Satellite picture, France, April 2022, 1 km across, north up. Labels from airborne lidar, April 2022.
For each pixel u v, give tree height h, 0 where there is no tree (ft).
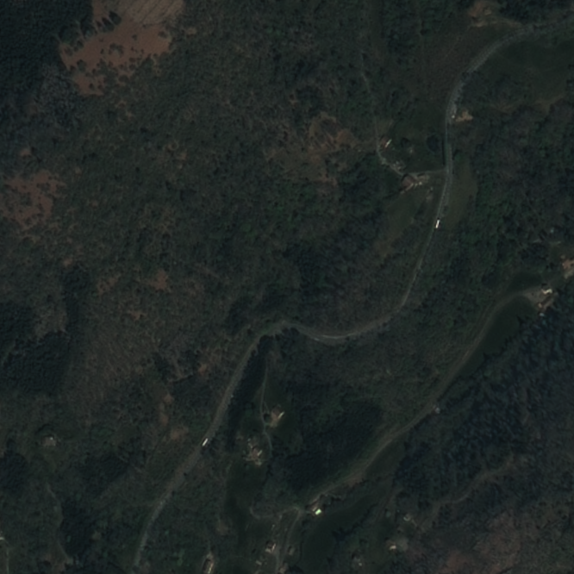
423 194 0
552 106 0
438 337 67
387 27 84
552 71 0
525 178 108
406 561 23
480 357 0
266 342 74
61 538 69
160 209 26
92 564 90
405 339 81
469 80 78
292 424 0
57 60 69
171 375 51
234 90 69
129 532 101
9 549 51
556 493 62
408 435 0
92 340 58
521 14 87
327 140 91
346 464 45
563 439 34
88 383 50
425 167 0
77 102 64
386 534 0
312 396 68
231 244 113
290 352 84
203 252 97
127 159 26
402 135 0
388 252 0
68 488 47
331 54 21
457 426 34
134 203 27
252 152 70
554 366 98
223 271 74
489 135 19
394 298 61
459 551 0
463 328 86
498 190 94
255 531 0
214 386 77
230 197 79
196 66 57
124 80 29
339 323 52
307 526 56
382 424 28
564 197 108
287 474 62
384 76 58
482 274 86
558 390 87
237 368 86
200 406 77
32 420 64
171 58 28
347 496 19
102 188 24
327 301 73
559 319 36
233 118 71
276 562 0
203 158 56
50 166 21
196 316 84
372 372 24
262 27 85
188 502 52
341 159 76
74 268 19
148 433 71
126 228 63
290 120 66
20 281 52
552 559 62
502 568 0
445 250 81
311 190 73
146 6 0
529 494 19
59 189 22
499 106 66
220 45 64
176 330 68
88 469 60
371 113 44
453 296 88
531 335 68
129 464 26
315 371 81
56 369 75
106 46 0
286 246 91
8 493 92
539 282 0
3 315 64
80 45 32
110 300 59
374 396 32
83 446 48
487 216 88
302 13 25
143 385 69
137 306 27
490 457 73
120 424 102
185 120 43
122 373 64
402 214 0
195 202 68
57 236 43
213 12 65
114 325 57
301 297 72
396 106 73
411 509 34
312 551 0
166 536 75
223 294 22
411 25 114
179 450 20
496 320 0
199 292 74
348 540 94
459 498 0
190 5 55
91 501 70
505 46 61
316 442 68
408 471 82
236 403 70
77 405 63
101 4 0
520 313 0
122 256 71
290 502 87
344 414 30
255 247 56
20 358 61
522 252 82
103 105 36
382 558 0
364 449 26
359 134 77
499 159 97
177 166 54
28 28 70
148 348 64
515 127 84
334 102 38
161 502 0
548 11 70
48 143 28
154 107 22
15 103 81
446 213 24
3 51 62
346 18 71
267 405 0
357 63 67
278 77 75
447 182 0
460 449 46
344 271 100
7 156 19
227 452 70
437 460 24
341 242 66
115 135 26
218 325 60
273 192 72
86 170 20
